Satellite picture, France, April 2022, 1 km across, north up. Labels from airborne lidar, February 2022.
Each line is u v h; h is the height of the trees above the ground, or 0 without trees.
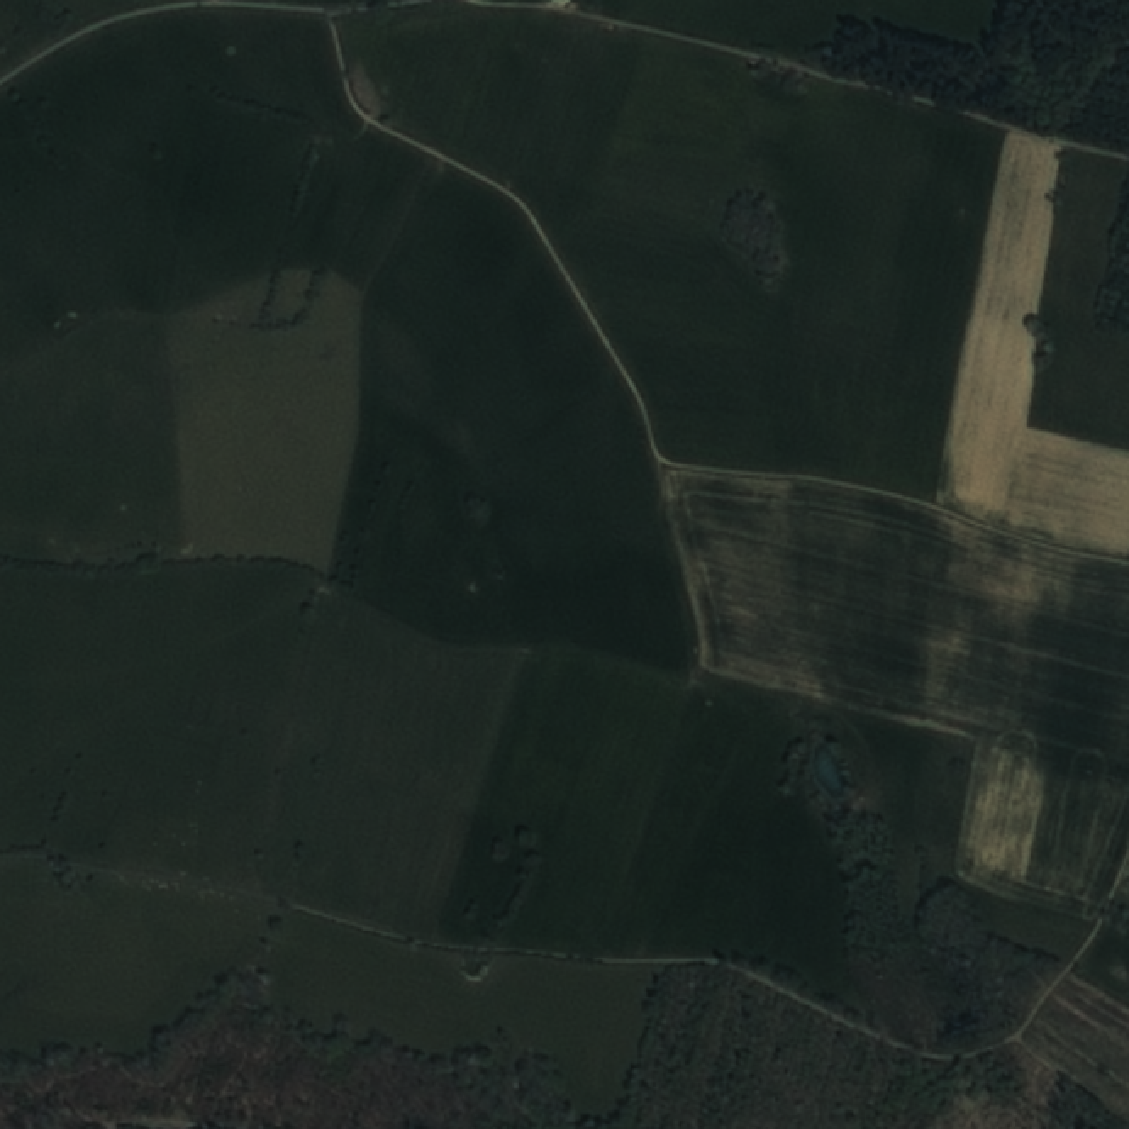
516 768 0
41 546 0
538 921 0
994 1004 24
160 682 0
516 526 0
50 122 0
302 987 0
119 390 0
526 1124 25
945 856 0
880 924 16
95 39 0
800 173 0
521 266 0
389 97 0
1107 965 0
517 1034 0
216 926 0
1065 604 0
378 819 0
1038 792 0
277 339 0
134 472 0
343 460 0
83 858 0
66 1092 9
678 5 0
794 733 0
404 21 0
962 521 0
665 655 0
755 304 0
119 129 0
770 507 0
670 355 0
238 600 0
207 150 0
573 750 0
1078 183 0
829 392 0
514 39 0
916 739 0
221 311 0
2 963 0
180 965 0
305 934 0
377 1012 0
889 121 0
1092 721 0
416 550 0
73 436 0
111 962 0
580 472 0
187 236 0
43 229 0
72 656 0
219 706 0
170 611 0
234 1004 6
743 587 0
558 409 0
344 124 0
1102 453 0
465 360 0
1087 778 0
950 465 0
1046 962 20
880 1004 0
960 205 0
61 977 0
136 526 0
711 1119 11
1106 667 0
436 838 0
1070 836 0
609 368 0
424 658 0
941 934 21
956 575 0
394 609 0
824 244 0
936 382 0
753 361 0
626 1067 0
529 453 0
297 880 0
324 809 0
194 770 0
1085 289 0
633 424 0
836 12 0
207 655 0
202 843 0
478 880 0
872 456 0
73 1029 0
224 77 0
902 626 0
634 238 0
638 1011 0
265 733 0
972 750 0
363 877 0
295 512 0
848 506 0
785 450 0
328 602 0
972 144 0
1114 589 0
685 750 0
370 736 0
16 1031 0
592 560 0
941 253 0
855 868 15
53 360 0
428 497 0
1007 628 0
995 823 0
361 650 0
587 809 0
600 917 0
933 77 25
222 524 0
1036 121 6
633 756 0
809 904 0
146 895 0
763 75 12
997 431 0
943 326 0
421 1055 9
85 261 0
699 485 0
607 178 0
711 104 0
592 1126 16
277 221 0
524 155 0
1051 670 0
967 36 0
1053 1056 0
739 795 0
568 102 0
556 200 0
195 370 0
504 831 0
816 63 11
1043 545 0
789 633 0
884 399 0
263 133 0
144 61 0
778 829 0
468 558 0
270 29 0
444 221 0
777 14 0
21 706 0
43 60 0
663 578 0
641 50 0
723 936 0
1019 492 0
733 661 0
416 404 0
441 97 0
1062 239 0
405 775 0
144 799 0
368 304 0
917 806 0
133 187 0
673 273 0
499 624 0
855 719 0
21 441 0
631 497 0
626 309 0
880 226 0
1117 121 11
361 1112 11
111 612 0
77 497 0
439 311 0
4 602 0
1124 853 0
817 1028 11
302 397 0
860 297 0
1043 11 27
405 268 0
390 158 0
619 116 0
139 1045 0
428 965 0
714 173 0
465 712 0
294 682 0
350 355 0
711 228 0
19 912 0
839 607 0
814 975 0
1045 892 0
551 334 0
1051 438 0
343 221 0
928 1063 9
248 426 0
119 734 0
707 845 0
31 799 0
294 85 0
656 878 0
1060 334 0
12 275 0
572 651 0
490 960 7
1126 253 12
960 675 0
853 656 0
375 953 0
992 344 0
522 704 0
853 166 0
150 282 0
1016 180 0
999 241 0
